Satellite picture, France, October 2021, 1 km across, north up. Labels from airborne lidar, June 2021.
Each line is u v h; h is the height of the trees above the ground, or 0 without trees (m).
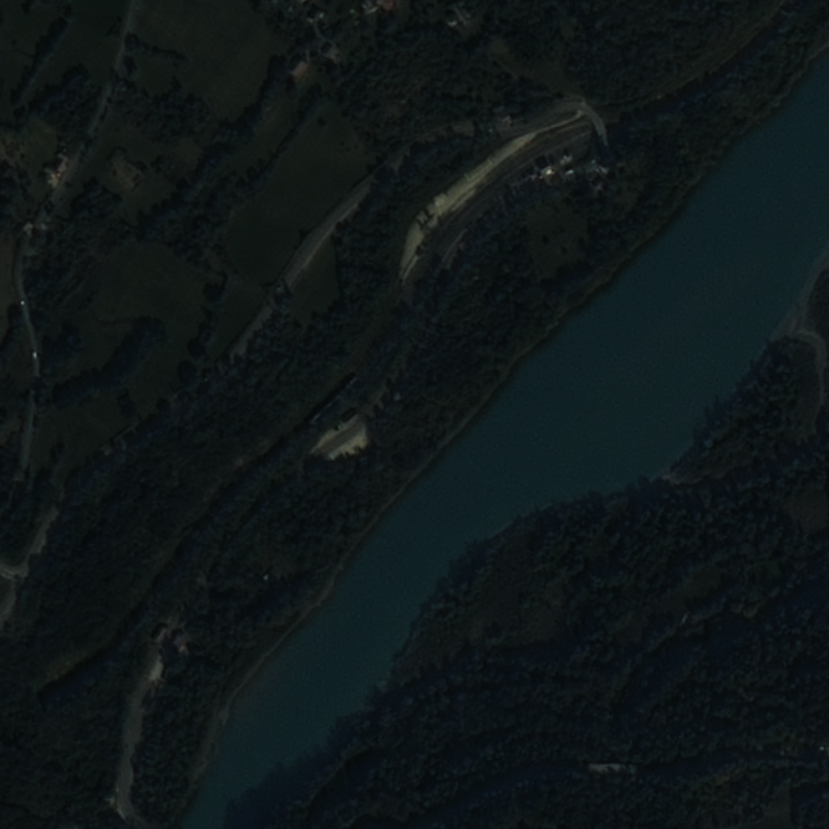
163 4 0
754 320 0
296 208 0
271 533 14
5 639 6
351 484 27
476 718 27
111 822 13
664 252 0
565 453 0
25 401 9
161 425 12
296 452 18
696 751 15
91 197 12
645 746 20
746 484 14
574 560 10
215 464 26
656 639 15
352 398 18
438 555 0
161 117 14
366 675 0
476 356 13
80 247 9
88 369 0
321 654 0
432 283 11
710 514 23
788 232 0
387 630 0
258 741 0
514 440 0
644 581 17
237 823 0
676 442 0
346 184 0
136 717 0
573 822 24
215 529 25
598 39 19
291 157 0
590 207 23
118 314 0
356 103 17
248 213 0
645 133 19
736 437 6
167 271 0
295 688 0
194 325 0
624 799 29
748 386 6
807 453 7
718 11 18
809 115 0
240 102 0
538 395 0
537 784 25
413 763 25
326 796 0
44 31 0
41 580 20
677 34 16
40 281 15
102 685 21
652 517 19
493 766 14
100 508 17
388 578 0
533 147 0
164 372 0
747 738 20
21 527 14
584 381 0
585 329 0
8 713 19
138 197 0
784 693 10
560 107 0
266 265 0
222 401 18
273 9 0
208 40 0
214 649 14
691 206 0
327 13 0
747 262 0
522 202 15
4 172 11
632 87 15
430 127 9
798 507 0
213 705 6
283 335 8
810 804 10
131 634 13
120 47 0
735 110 19
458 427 17
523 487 0
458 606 12
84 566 23
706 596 0
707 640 0
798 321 0
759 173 0
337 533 17
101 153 0
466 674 16
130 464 15
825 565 15
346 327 12
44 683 17
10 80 0
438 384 21
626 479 0
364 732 6
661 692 24
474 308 18
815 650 14
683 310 0
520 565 6
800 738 12
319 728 0
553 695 23
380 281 16
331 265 0
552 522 6
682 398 0
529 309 14
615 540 14
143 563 16
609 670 24
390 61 10
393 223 11
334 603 0
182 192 12
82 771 8
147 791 17
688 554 6
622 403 0
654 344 0
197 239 11
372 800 20
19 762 15
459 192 0
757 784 9
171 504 26
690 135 16
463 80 15
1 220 20
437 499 0
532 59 8
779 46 12
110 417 0
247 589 14
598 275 17
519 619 6
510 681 19
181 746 20
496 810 24
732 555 20
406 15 0
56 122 11
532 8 12
